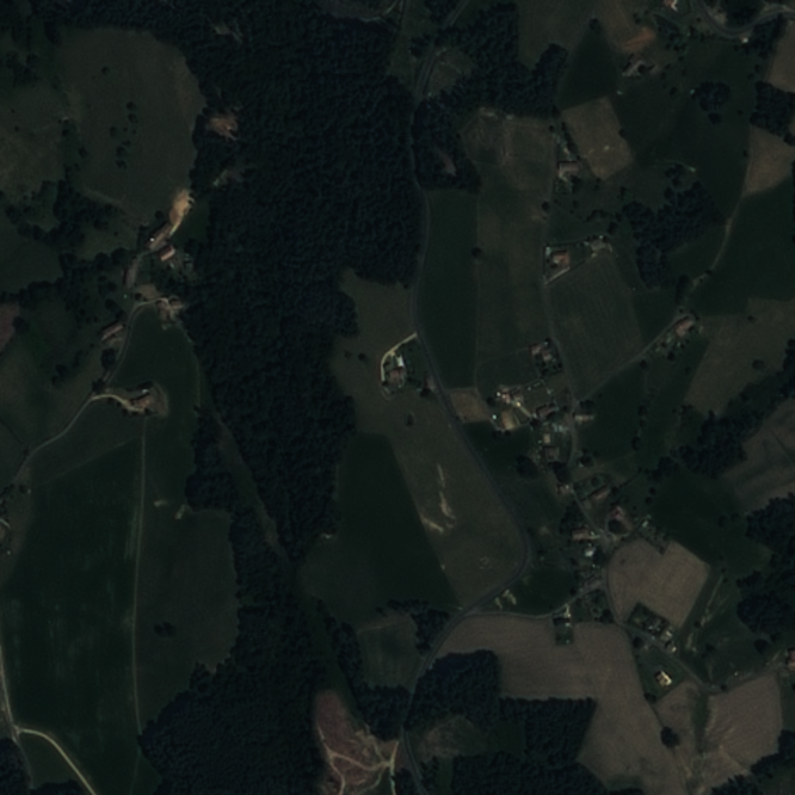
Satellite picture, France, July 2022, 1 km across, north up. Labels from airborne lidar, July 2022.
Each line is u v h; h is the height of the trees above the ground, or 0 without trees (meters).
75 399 0
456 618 0
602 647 0
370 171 23
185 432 0
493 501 0
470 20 0
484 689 40
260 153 26
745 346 0
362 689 27
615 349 0
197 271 16
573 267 0
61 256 6
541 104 21
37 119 0
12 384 0
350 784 0
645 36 0
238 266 25
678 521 0
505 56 25
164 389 0
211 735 31
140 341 0
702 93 13
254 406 23
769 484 0
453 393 0
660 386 0
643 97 0
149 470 0
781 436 0
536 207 0
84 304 8
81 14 29
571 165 0
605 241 8
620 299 0
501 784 12
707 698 0
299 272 31
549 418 13
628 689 0
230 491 23
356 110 26
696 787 0
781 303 0
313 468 26
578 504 9
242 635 11
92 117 0
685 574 0
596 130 0
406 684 0
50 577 0
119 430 0
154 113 0
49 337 0
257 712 24
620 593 0
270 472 28
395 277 21
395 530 0
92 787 0
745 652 0
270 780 27
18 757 27
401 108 24
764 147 0
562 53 18
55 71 0
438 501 0
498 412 0
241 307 20
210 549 0
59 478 0
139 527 0
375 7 28
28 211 12
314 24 30
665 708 0
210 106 16
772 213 0
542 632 0
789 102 9
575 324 0
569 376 0
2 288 0
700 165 0
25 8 0
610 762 0
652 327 0
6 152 0
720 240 0
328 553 0
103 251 0
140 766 0
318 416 6
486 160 0
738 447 17
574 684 0
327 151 26
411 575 0
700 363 0
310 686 8
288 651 11
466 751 0
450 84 0
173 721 32
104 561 0
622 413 0
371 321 0
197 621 0
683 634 0
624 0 0
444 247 0
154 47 0
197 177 20
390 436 0
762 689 0
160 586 0
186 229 0
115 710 0
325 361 10
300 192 24
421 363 0
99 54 0
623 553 0
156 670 0
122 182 0
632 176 0
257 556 27
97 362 0
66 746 0
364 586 0
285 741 10
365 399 0
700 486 0
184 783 20
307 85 26
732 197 0
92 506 0
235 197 26
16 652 0
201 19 26
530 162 0
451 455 0
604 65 0
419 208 16
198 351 18
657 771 0
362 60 26
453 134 18
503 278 0
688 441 0
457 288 0
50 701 0
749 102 0
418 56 20
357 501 0
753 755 0
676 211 9
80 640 0
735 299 0
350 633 24
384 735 28
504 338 0
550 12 0
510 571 0
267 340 26
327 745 0
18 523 0
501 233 0
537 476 17
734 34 0
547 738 21
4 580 0
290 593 12
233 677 12
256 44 28
